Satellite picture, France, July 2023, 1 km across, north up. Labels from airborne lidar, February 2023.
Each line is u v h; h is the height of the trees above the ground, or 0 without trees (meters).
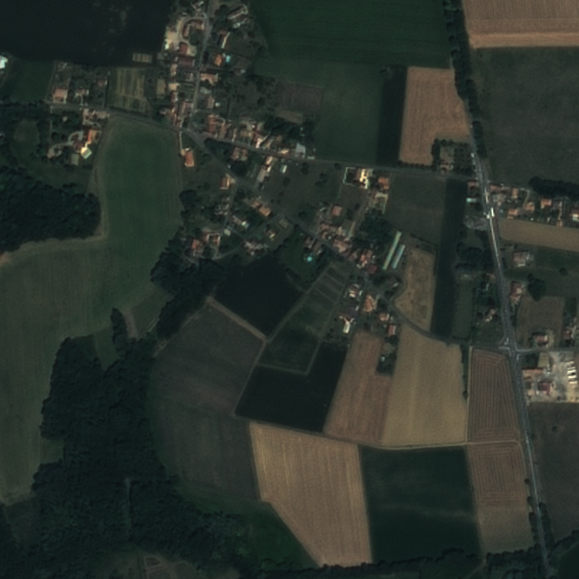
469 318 0
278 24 0
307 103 0
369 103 0
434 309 0
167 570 0
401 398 0
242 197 8
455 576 0
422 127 0
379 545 0
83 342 0
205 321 0
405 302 0
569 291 0
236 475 0
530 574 16
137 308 0
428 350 0
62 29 0
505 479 0
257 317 0
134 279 0
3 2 0
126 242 0
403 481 0
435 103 0
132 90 0
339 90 0
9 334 0
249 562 17
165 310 9
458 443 0
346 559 0
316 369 0
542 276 0
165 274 20
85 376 21
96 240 0
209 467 0
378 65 0
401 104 0
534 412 0
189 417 0
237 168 15
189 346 0
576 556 0
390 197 0
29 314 0
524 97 0
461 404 0
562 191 11
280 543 0
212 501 0
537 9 0
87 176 0
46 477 22
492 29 0
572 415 0
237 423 0
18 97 0
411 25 0
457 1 16
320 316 0
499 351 0
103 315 0
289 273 10
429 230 0
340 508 0
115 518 22
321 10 0
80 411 23
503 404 0
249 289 0
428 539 0
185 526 23
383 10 0
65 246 0
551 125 0
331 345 0
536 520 13
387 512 0
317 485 0
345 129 0
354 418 0
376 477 0
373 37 0
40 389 0
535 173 0
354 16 0
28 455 0
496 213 0
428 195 0
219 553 24
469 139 0
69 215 24
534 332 0
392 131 0
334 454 0
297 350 0
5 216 30
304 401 0
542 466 0
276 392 0
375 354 0
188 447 0
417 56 0
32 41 0
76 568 22
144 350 6
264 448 0
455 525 0
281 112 0
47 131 22
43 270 0
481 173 0
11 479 0
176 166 0
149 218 0
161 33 0
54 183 0
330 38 0
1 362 0
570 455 0
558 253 0
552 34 0
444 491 0
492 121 0
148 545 31
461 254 11
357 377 0
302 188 0
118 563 0
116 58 0
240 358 0
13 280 0
